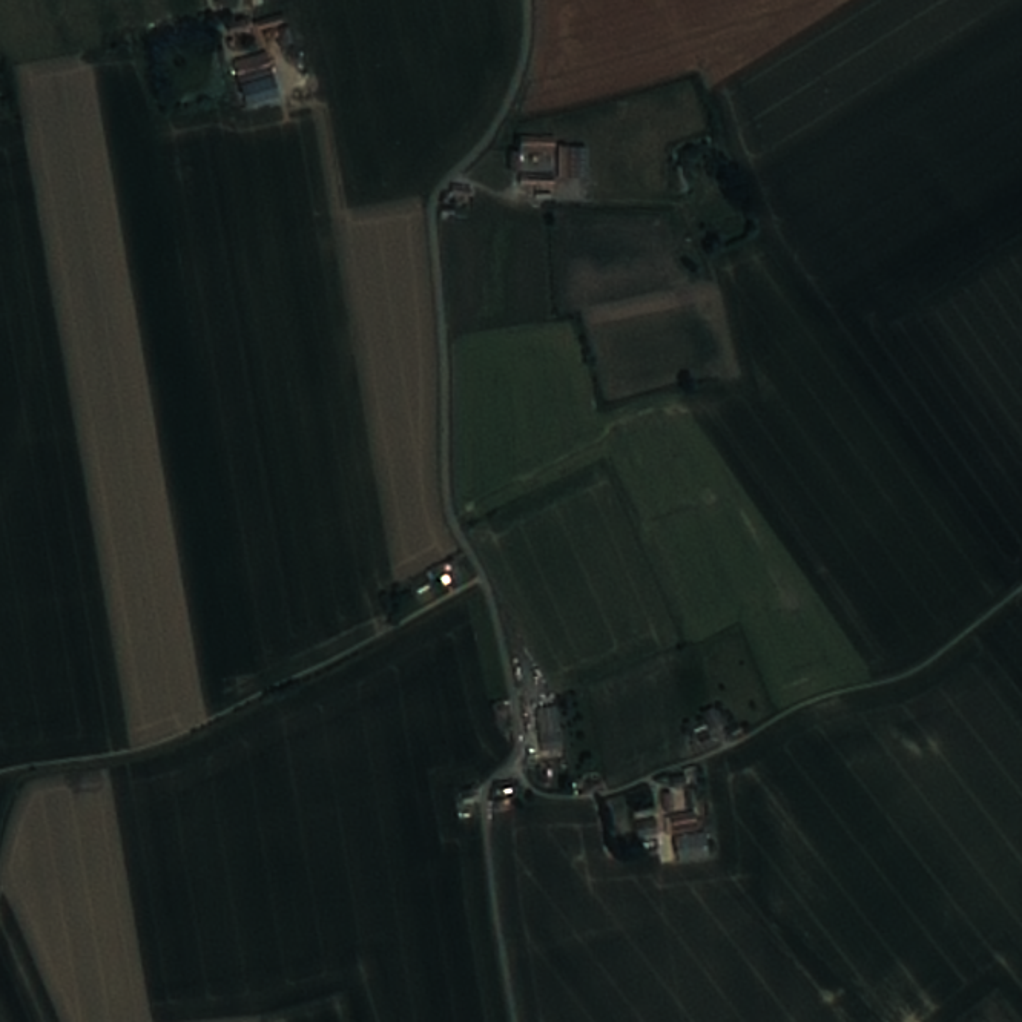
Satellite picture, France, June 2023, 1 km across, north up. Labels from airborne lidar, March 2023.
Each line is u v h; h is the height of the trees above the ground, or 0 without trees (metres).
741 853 0
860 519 0
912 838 0
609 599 0
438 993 0
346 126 0
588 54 0
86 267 0
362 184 0
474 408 0
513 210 0
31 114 0
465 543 0
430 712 0
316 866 0
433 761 0
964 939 0
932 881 0
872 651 0
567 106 0
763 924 0
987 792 0
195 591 0
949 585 0
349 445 0
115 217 0
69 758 0
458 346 0
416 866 0
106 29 0
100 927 0
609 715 0
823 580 0
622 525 0
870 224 0
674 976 0
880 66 0
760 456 0
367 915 0
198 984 0
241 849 0
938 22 0
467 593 0
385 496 0
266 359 0
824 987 0
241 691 0
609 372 0
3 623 0
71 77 0
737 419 0
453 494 0
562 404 0
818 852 0
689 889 0
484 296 0
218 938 0
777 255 0
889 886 0
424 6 0
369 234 0
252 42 12
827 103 0
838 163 0
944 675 0
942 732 0
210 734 0
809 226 0
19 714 0
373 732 0
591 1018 0
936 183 0
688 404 0
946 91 0
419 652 0
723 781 0
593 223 0
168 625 0
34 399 0
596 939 0
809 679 0
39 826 0
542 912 0
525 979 0
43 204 0
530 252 0
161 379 0
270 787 0
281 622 0
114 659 0
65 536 0
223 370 0
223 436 0
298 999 0
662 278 0
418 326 0
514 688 0
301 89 0
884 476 0
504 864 0
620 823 0
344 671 0
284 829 0
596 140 0
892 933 0
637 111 0
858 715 0
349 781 0
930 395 0
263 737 0
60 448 0
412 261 0
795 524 0
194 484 0
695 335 0
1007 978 0
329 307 0
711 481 0
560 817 0
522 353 0
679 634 0
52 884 0
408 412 0
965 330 0
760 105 0
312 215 0
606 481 0
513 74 0
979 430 0
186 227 0
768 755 0
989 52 0
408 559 0
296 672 0
